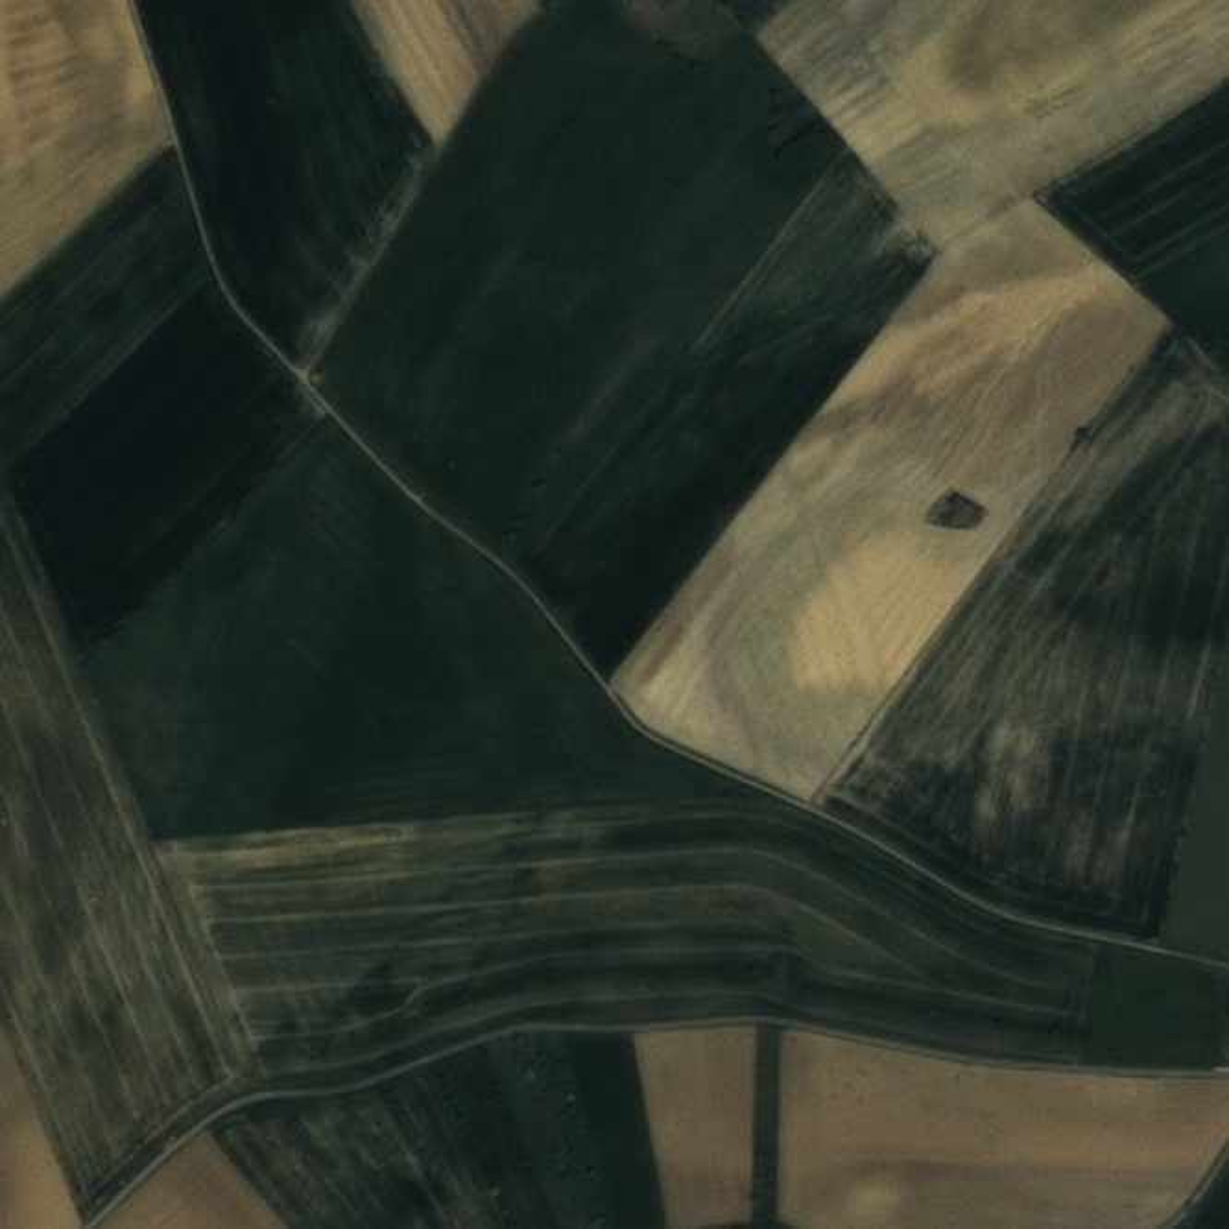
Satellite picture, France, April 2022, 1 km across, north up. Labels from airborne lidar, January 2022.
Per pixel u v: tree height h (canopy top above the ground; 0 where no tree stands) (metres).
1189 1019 0
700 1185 0
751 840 0
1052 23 0
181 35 0
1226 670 0
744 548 0
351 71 0
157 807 0
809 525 0
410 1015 0
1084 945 0
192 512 0
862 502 0
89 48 0
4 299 0
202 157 0
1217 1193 0
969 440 0
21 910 0
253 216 0
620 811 0
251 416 0
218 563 0
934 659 0
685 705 0
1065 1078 0
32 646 0
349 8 0
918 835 0
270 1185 0
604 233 0
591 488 0
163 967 0
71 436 0
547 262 0
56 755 0
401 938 0
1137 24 0
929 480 0
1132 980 0
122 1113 0
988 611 0
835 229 0
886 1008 0
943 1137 0
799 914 0
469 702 0
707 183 0
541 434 0
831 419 0
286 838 0
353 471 0
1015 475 0
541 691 0
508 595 0
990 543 0
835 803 0
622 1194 0
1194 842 0
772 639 0
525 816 0
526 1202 0
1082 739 0
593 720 0
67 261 0
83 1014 0
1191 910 0
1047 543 0
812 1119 0
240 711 0
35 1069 0
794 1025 0
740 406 0
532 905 0
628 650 0
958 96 0
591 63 0
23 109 0
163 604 0
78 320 0
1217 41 0
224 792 0
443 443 0
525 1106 0
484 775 0
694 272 0
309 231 0
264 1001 0
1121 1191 0
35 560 0
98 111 0
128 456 0
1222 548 0
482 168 0
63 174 0
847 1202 0
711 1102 0
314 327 0
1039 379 0
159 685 0
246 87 0
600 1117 0
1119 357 0
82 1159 0
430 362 0
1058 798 0
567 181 0
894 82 0
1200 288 0
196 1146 0
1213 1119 0
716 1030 0
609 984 0
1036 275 0
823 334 0
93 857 0
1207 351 6
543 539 0
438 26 0
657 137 0
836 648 0
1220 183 0
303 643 0
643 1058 0
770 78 0
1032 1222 0
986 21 0
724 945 0
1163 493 0
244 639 0
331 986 0
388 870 0
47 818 0
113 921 0
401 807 0
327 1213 0
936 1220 0
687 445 0
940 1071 0
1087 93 0
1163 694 0
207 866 0
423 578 0
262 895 0
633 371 0
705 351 0
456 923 0
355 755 0
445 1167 0
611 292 0
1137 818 0
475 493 0
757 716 0
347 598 0
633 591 0
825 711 0
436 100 0
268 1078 0
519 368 0
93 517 0
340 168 0
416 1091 0
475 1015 0
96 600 0
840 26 0
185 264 0
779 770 0
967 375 0
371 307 0
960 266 0
